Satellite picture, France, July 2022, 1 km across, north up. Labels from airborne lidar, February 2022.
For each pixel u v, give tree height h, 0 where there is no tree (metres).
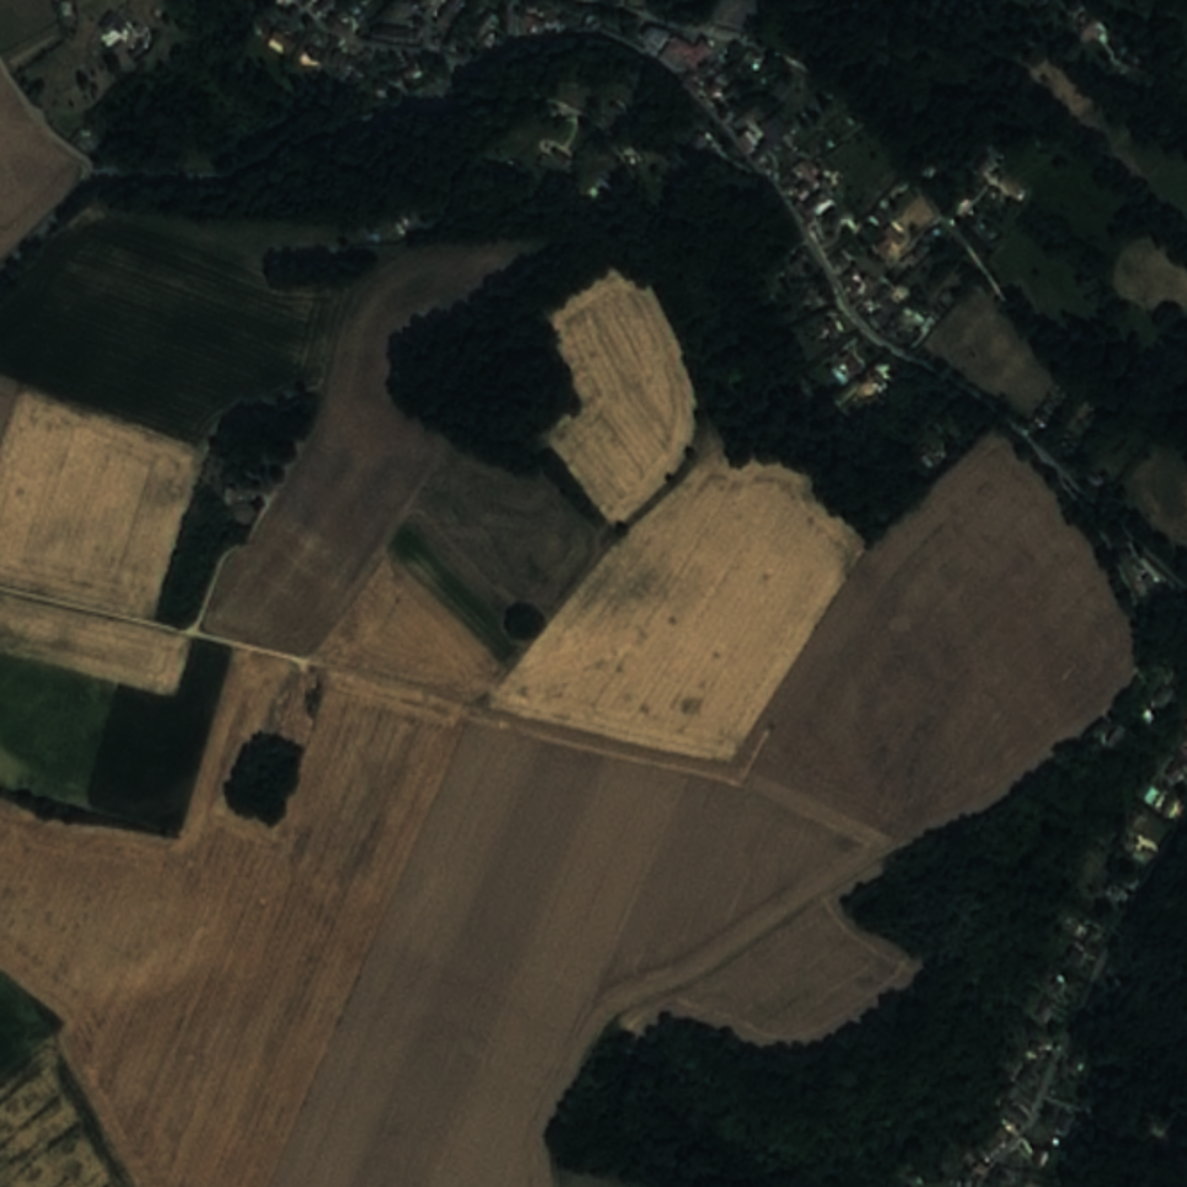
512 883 0
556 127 12
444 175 16
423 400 15
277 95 8
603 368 0
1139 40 13
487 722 0
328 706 0
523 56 10
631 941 0
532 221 7
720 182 14
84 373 0
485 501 0
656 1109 25
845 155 0
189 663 0
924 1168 20
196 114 18
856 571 0
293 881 0
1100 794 23
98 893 0
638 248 23
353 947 0
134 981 0
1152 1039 19
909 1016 14
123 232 0
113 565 0
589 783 0
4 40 0
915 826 0
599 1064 8
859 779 0
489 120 11
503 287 18
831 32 31
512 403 24
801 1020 0
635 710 0
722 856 0
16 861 0
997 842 15
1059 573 0
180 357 0
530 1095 0
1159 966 25
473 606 0
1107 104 23
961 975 13
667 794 0
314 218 13
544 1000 0
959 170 16
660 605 0
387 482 0
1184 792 18
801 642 0
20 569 0
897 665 0
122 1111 0
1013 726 0
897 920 8
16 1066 0
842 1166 19
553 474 11
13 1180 0
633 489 0
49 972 0
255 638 0
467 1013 0
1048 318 0
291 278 18
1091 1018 17
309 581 0
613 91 0
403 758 0
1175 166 0
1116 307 18
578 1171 8
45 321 0
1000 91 14
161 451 0
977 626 0
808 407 15
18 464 0
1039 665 0
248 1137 0
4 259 0
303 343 0
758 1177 23
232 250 0
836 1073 18
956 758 0
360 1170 0
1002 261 0
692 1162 28
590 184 0
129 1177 0
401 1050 0
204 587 7
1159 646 12
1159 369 31
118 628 0
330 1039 0
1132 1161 27
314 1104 0
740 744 0
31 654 0
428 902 0
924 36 21
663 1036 6
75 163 0
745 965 0
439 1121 0
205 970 0
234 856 0
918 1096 12
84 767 0
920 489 17
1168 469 0
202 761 0
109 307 0
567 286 17
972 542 0
